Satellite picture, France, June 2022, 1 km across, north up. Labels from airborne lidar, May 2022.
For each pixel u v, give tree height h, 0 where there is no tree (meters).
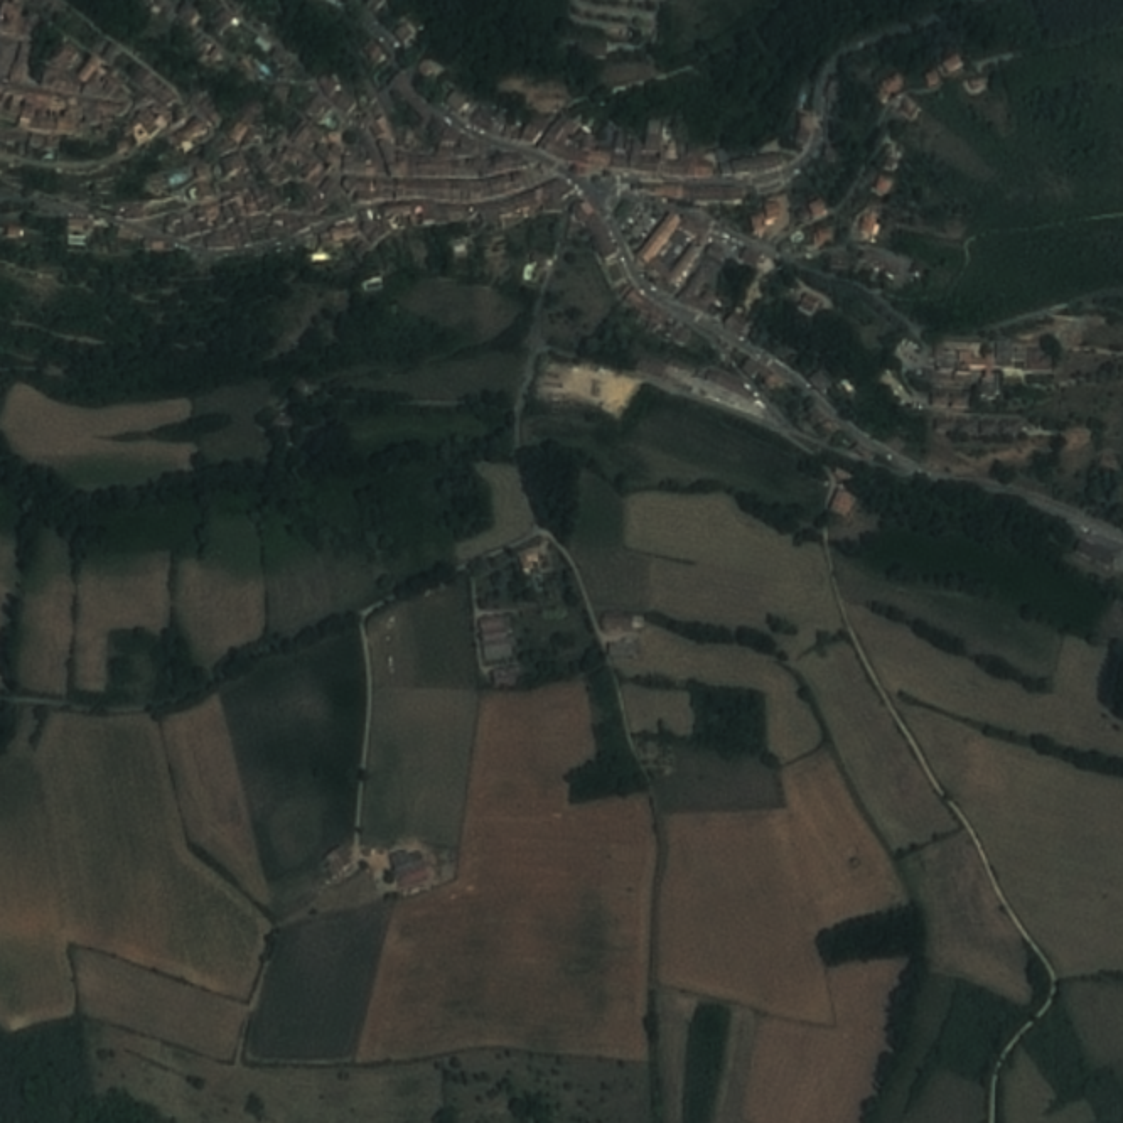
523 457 16
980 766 0
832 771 0
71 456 0
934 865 0
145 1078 0
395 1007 0
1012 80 6
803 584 0
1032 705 0
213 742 0
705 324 0
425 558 0
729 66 9
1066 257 6
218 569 0
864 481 7
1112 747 0
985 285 6
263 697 0
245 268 8
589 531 0
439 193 0
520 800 0
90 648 0
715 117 7
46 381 10
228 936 0
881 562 0
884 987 0
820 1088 0
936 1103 0
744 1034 0
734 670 0
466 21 12
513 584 9
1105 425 14
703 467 0
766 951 0
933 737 0
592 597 0
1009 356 0
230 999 0
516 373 0
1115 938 0
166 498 18
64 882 0
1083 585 0
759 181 0
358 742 0
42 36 15
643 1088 0
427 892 0
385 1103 0
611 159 0
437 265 10
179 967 0
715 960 0
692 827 0
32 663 0
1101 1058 0
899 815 0
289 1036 0
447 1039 0
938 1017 0
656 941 0
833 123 11
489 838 0
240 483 12
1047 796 0
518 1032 0
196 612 0
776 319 12
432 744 0
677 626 19
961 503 22
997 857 0
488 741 0
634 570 0
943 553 0
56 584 0
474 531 6
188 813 0
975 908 0
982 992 7
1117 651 17
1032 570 0
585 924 0
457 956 0
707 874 0
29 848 0
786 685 0
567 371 0
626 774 7
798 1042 0
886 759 0
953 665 0
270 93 8
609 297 0
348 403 6
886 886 0
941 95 6
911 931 14
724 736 10
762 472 0
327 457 33
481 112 0
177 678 13
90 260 12
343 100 0
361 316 13
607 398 0
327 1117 0
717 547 0
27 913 0
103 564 0
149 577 0
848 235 13
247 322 16
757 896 0
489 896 0
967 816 0
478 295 0
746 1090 0
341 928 0
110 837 0
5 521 0
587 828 0
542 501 23
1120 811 0
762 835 0
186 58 9
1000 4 6
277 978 0
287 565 0
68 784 0
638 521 0
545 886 0
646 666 0
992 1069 10
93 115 0
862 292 14
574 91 10
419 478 0
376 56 0
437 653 0
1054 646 0
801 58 13
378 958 0
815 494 0
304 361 8
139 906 0
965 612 0
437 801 0
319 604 0
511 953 0
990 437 9
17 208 7
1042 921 0
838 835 0
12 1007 0
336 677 0
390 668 0
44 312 9
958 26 18
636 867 0
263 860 0
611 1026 0
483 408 15
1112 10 17
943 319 8
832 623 0
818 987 0
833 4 14
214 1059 0
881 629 0
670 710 0
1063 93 13
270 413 7
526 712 0
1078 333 0
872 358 11
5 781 0
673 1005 0
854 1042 0
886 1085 22
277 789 0
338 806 0
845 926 13
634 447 0
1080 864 0
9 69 0
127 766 0
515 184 0
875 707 0
